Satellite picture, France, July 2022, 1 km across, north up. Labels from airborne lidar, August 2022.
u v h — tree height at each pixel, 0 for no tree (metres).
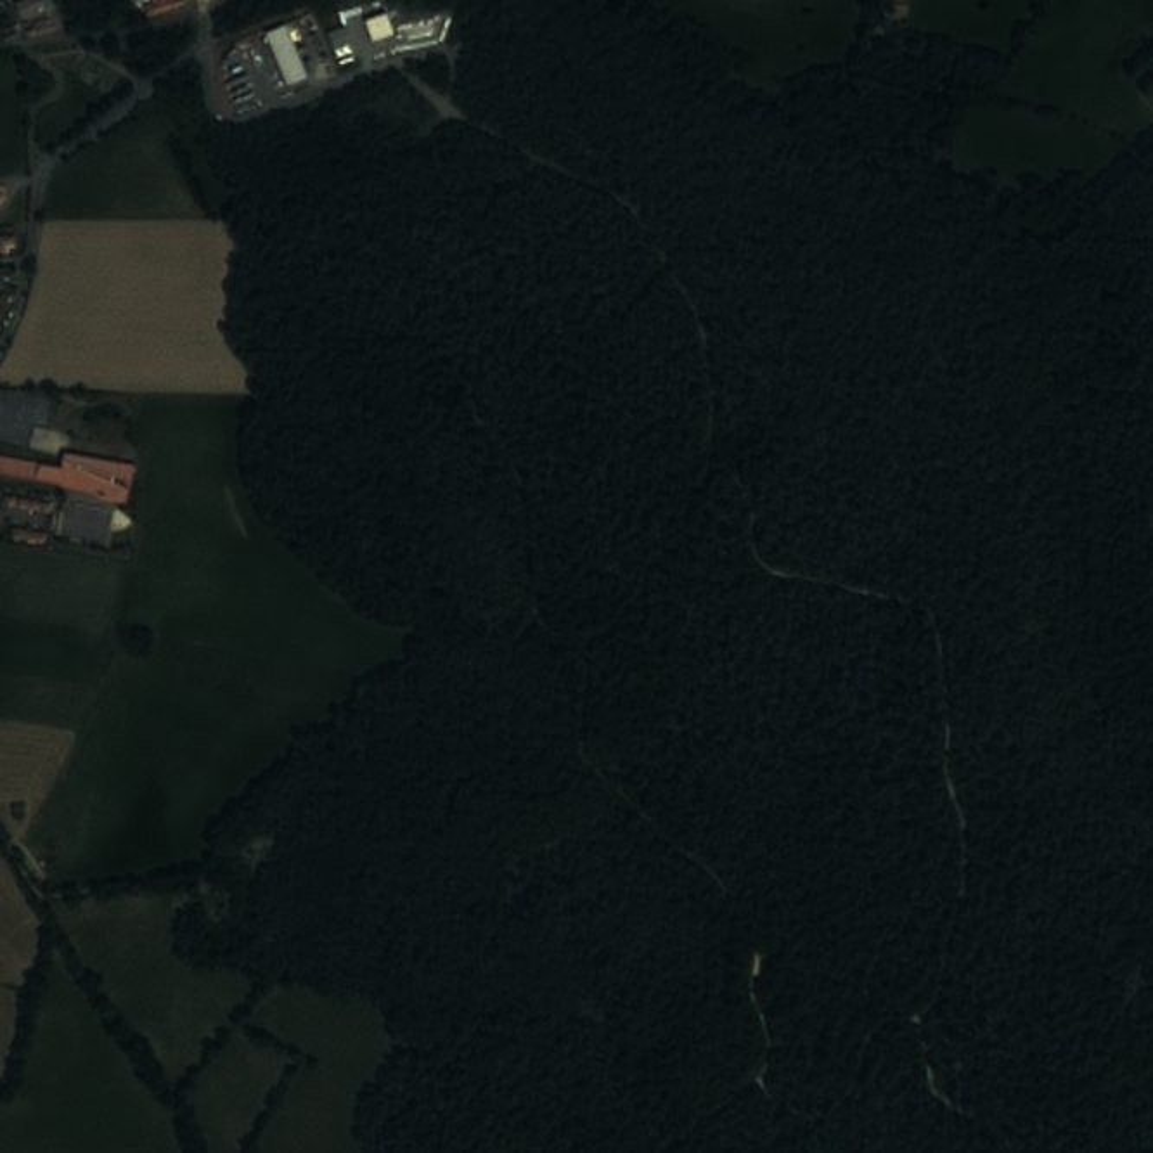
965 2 0
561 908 15
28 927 0
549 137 13
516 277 10
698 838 10
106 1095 0
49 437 0
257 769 0
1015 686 12
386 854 17
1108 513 22
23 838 0
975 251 21
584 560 18
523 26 12
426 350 15
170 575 0
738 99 6
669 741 25
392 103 0
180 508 0
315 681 0
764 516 8
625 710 14
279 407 19
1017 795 21
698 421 13
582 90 14
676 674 16
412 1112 23
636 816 18
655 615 24
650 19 18
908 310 10
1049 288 17
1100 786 13
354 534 20
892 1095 17
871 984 14
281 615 0
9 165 0
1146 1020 17
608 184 6
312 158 13
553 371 20
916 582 24
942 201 17
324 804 17
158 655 0
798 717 12
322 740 18
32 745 0
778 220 17
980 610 13
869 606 14
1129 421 26
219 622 0
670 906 11
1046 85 0
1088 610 18
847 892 18
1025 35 19
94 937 0
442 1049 25
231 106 0
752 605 10
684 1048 22
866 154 19
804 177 20
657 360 10
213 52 0
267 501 11
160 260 0
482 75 15
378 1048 0
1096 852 17
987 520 13
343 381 16
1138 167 26
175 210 0
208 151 12
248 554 0
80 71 0
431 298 16
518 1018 15
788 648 20
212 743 0
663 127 15
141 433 0
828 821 11
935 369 20
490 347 31
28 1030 13
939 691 13
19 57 12
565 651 13
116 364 0
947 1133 15
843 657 17
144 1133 0
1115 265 13
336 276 16
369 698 19
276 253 10
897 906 16
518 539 11
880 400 15
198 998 0
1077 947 17
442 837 16
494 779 18
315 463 13
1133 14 0
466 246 19
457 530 12
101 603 0
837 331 16
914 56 10
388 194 13
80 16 14
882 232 13
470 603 10
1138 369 27
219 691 0
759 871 15
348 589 16
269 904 12
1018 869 15
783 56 0
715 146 13
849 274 16
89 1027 0
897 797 13
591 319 11
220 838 20
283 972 7
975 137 0
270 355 18
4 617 0
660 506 21
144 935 0
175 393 0
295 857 15
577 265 21
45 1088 0
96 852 0
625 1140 15
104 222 0
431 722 17
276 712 0
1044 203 8
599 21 20
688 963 17
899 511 25
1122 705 19
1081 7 0
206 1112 0
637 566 25
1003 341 15
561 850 14
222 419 0
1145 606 21
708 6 0
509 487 22
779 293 18
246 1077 0
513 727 15
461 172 12
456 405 24
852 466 12
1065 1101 15
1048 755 13
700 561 15
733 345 18
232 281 9
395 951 17
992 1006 19
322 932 17
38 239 0
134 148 0
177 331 0
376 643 0
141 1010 0
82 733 0
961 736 11
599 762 10
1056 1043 17
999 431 12
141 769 0
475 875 17
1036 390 15
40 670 0
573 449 10
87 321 0
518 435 16
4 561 0
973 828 13
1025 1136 20
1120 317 12
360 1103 12
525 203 13
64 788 0
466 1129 16
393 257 14
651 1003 15
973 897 13
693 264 18
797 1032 20
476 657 12
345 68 0
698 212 15
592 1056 13
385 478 16
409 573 18
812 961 18
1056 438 15
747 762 17
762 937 20
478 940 16
